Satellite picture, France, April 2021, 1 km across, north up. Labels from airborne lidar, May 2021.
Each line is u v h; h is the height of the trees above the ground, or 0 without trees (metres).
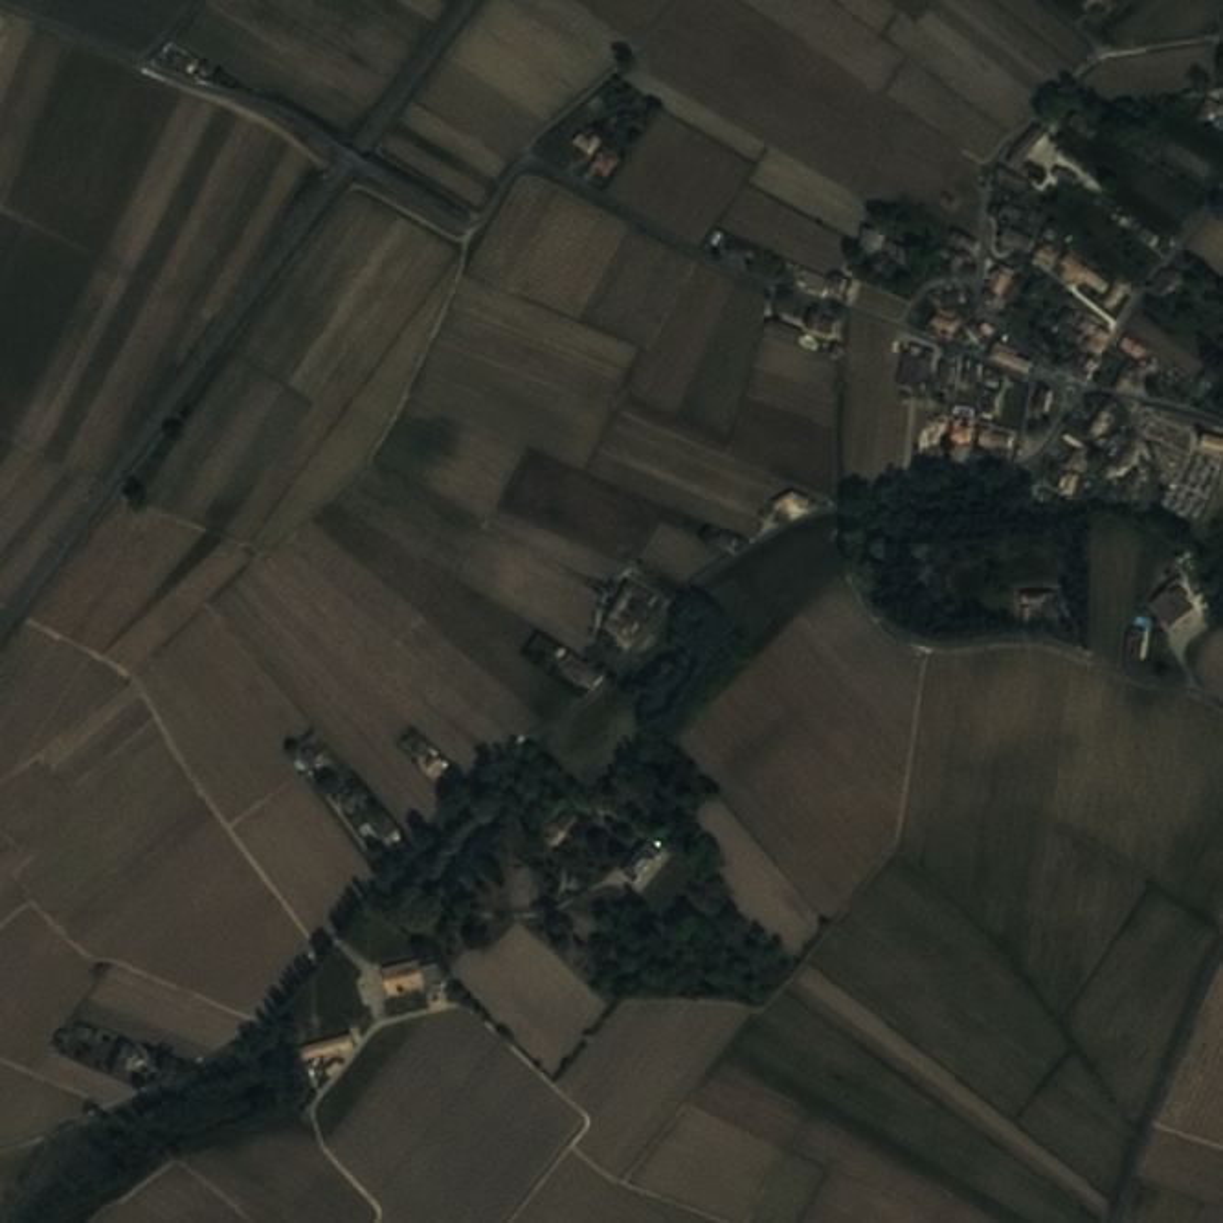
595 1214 0
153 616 0
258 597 0
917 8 0
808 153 0
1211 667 0
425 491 0
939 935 0
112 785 0
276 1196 0
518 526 0
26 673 0
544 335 0
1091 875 0
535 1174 0
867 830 0
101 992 0
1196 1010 0
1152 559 0
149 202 0
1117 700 0
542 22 0
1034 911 0
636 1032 0
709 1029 0
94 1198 14
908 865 0
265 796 0
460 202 0
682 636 14
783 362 0
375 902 17
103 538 0
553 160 0
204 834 0
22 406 0
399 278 0
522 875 0
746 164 0
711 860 11
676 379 0
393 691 0
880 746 0
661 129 0
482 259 0
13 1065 0
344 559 0
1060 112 14
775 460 0
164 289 0
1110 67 0
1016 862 0
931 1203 0
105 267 0
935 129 0
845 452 0
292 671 0
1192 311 13
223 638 0
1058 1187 0
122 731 0
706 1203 0
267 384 0
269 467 0
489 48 0
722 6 0
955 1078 0
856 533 27
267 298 0
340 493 0
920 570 24
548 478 0
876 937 0
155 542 0
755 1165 0
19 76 0
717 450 0
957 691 0
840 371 0
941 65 0
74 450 0
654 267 0
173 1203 0
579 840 13
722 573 0
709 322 0
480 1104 0
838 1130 0
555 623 0
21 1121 0
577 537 0
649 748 18
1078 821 0
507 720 0
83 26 0
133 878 0
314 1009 0
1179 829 0
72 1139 11
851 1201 0
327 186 0
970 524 18
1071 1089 0
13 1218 17
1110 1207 0
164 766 0
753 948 16
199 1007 0
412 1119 0
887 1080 0
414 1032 0
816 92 0
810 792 0
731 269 0
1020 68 0
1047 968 0
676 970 13
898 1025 0
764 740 0
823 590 0
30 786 0
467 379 0
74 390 0
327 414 0
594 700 0
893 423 0
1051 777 0
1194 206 0
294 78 0
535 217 0
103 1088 0
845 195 0
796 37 0
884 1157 0
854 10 0
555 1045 0
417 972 0
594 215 0
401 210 0
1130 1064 0
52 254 0
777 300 12
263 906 0
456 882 13
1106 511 11
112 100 0
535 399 0
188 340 0
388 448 0
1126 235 7
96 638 0
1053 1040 0
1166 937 0
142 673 0
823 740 0
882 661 0
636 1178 0
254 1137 0
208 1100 17
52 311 0
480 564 0
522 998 0
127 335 0
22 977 0
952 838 0
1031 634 15
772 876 0
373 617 0
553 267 0
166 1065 18
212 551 0
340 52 0
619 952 10
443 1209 0
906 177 0
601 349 0
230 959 0
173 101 0
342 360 0
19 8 0
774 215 0
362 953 0
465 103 0
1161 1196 0
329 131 0
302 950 0
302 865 0
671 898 0
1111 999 0
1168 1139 0
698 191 0
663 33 0
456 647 0
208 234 0
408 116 0
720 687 11
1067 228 0
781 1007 0
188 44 0
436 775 0
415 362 0
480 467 0
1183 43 0
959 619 18
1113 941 0
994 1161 0
